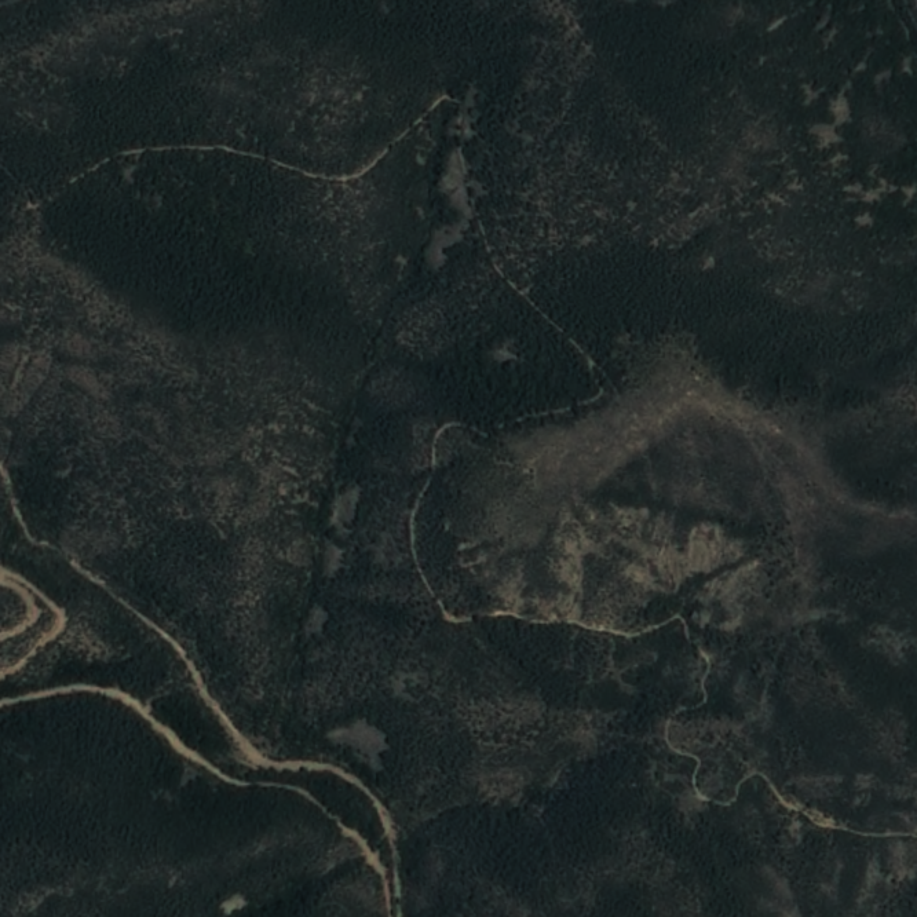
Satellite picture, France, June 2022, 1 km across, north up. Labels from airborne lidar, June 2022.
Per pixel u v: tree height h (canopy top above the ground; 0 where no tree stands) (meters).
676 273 8
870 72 6
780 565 9
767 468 0
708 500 0
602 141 8
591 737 0
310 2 14
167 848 6
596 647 11
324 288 7
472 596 10
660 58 10
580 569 0
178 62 13
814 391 7
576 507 0
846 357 12
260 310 15
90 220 16
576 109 8
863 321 11
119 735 13
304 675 7
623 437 0
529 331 8
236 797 10
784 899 0
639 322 12
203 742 12
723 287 8
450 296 9
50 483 7
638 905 13
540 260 7
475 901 7
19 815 11
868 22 6
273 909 8
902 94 6
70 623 6
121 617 6
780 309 9
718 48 9
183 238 14
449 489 8
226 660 6
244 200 10
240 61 8
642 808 10
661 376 0
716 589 0
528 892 10
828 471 0
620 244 9
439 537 8
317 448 8
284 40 6
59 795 7
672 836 12
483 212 9
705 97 9
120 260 13
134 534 13
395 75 7
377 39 11
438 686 7
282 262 7
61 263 0
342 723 8
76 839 9
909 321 11
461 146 12
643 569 0
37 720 12
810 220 8
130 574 8
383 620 10
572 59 7
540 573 0
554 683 13
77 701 13
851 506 0
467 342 7
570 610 0
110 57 7
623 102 7
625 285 10
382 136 8
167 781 11
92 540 0
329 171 7
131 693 12
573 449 0
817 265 6
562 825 14
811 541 0
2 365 0
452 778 10
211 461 0
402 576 9
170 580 8
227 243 10
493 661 9
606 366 5
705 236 11
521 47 8
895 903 8
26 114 5
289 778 7
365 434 9
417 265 13
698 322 10
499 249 6
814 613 0
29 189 11
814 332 10
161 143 10
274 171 8
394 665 6
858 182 12
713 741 10
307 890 10
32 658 8
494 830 11
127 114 11
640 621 9
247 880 11
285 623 7
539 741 7
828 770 0
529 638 11
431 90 9
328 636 7
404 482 5
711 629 12
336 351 10
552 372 11
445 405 10
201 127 6
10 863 9
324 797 8
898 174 6
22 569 7
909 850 0
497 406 12
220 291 9
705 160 7
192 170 12
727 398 0
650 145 8
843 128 10
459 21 7
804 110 7
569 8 6
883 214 6
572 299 12
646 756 10
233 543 7
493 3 7
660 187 6
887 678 6
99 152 7
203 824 6
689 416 0
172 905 11
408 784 8
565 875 10
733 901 10
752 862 9
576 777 13
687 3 13
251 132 8
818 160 10
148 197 8
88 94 13
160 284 14
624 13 11
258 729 9
